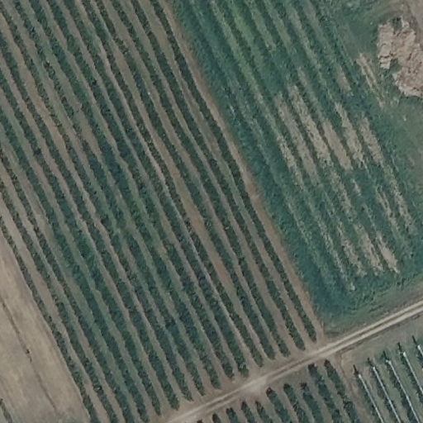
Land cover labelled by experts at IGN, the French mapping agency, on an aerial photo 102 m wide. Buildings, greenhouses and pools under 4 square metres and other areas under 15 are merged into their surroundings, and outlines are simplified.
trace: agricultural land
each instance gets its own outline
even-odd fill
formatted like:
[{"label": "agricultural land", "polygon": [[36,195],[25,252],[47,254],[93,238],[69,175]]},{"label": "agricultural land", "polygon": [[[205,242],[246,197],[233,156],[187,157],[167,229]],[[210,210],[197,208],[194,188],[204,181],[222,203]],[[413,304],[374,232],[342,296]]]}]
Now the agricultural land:
[{"label": "agricultural land", "polygon": [[339,373],[345,393],[350,402],[354,403],[355,411],[362,423],[423,423],[423,311],[387,329],[368,335],[349,347],[337,350],[327,359],[330,364],[335,368],[335,372]]},{"label": "agricultural land", "polygon": [[172,5],[178,26],[182,28],[183,38],[190,45],[193,58],[197,59],[208,93],[215,101],[215,106],[208,109],[215,119],[216,126],[220,127],[231,157],[240,169],[251,205],[294,289],[302,284],[304,291],[309,292],[314,312],[324,327],[324,334],[332,340],[423,299],[423,0],[167,0]]}]

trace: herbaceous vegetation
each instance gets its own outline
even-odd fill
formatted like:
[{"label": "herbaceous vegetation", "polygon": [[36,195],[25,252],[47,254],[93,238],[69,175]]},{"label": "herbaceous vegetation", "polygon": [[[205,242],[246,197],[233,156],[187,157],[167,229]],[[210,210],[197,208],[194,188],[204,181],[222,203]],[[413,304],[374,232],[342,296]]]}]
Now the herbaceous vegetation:
[{"label": "herbaceous vegetation", "polygon": [[220,387],[221,390],[225,390],[233,383],[238,383],[243,387],[243,383],[248,382],[248,377],[243,377],[238,372],[238,367],[233,368],[233,378],[228,377],[221,367],[220,359],[215,355],[210,360],[220,380]]},{"label": "herbaceous vegetation", "polygon": [[187,61],[193,83],[208,109],[215,106],[215,101],[208,93],[197,59],[193,58],[190,45],[183,38],[182,28],[178,26],[172,5],[167,0],[164,0],[160,3],[162,10],[169,20],[180,53]]},{"label": "herbaceous vegetation", "polygon": [[21,223],[28,231],[36,253],[40,254],[41,261],[45,264],[59,301],[63,302],[68,311],[79,344],[83,347],[89,362],[93,364],[102,390],[106,393],[119,423],[126,423],[116,395],[109,387],[101,364],[97,362],[96,355],[89,345],[88,337],[84,335],[83,327],[64,294],[63,286],[56,278],[40,241],[36,238],[25,208],[13,187],[12,178],[8,177],[7,170],[0,160],[0,177],[7,187],[13,205],[20,213]]},{"label": "herbaceous vegetation", "polygon": [[79,144],[71,119],[64,112],[58,93],[53,88],[53,81],[46,73],[45,64],[38,58],[35,43],[25,30],[23,20],[15,10],[15,3],[12,0],[7,0],[3,5],[7,8],[13,23],[17,25],[18,33],[25,43],[28,55],[33,59],[46,94],[55,107],[55,114],[69,135],[69,140],[83,167],[89,164],[88,157]]},{"label": "herbaceous vegetation", "polygon": [[8,104],[5,93],[0,88],[0,106],[8,117],[8,122],[12,124],[13,132],[17,135],[31,169],[40,180],[41,188],[48,193],[53,188],[40,164],[36,162],[30,142],[23,134],[12,106]]},{"label": "herbaceous vegetation", "polygon": [[198,213],[187,185],[173,164],[169,150],[165,149],[164,142],[160,140],[159,134],[150,122],[126,59],[122,56],[116,41],[112,38],[107,40],[117,66],[121,69],[122,78],[131,89],[145,129],[149,132],[155,149],[159,150],[160,157],[169,167],[173,185],[188,218],[192,221],[193,230],[202,241],[226,294],[233,302],[236,314],[240,316],[259,355],[263,357],[263,367],[258,367],[243,335],[236,335],[236,344],[240,345],[245,357],[248,377],[251,380],[263,375],[268,378],[273,373],[271,365],[291,359],[304,359],[307,355],[304,350],[297,349],[289,335],[286,322],[269,294],[263,274],[259,273],[250,246],[246,243],[245,235],[233,215],[230,203],[226,200],[225,192],[192,131],[188,129],[187,121],[183,119],[169,81],[160,68],[142,23],[135,15],[131,0],[124,0],[121,3],[122,8],[127,18],[132,21],[134,30],[137,31],[149,55],[150,63],[164,86],[178,124],[182,126],[183,132],[197,152],[198,159],[202,160],[203,167],[207,170],[208,177],[220,197],[221,205],[225,208],[226,216],[235,230],[259,294],[273,316],[284,344],[288,345],[289,354],[283,355],[274,340],[273,332],[269,330],[263,314],[259,311],[258,304],[254,301],[253,292],[246,283],[235,250],[226,236],[220,218],[216,215],[202,177],[183,147],[182,140],[170,124],[169,116],[160,102],[159,93],[150,79],[149,69],[145,68],[129,31],[117,15],[111,0],[107,0],[104,3],[107,15],[111,18],[117,35],[131,51],[162,127],[192,175],[193,182],[197,185],[203,203],[210,213],[216,233],[220,236],[226,253],[230,254],[241,288],[245,291],[254,314],[273,347],[274,359],[269,359],[261,345],[253,324],[241,306],[240,297],[236,296],[230,274],[205,230],[202,215]]},{"label": "herbaceous vegetation", "polygon": [[69,357],[73,359],[74,365],[83,377],[84,387],[101,423],[111,423],[83,362],[79,360],[71,344],[68,330],[59,316],[58,307],[36,269],[30,251],[21,240],[20,231],[13,223],[12,215],[5,207],[0,193],[0,215],[7,225],[8,233],[17,243],[18,253],[25,261],[46,309],[63,335]]},{"label": "herbaceous vegetation", "polygon": [[41,317],[18,268],[17,259],[0,231],[0,423],[91,423],[78,385],[74,383],[63,355],[56,345],[55,337],[51,334],[50,326]]},{"label": "herbaceous vegetation", "polygon": [[0,31],[7,40],[13,58],[17,61],[18,71],[25,83],[28,96],[31,97],[36,111],[55,140],[59,154],[66,154],[68,150],[50,117],[50,112],[45,107],[45,102],[41,101],[40,94],[36,91],[33,76],[30,69],[26,68],[20,48],[13,40],[12,31],[0,13]]},{"label": "herbaceous vegetation", "polygon": [[149,400],[144,403],[149,423],[169,423],[170,416],[177,410],[170,406],[169,400],[165,400],[160,403],[160,415],[157,415]]},{"label": "herbaceous vegetation", "polygon": [[31,112],[28,111],[17,84],[13,81],[7,61],[0,51],[0,69],[12,89],[13,96],[17,99],[18,107],[23,112],[31,132],[35,134],[46,164],[55,177],[61,172],[55,159],[51,157],[50,149]]},{"label": "herbaceous vegetation", "polygon": [[12,165],[13,172],[25,192],[26,200],[30,203],[41,233],[46,238],[53,231],[48,225],[40,200],[31,188],[30,180],[18,164],[17,155],[13,152],[10,140],[7,139],[0,122],[0,142],[3,154],[7,155],[8,162]]},{"label": "herbaceous vegetation", "polygon": [[316,365],[309,365],[301,368],[299,372],[288,375],[284,378],[284,390],[299,390],[301,383],[311,380],[311,372],[316,368]]},{"label": "herbaceous vegetation", "polygon": [[302,309],[306,311],[309,321],[316,330],[314,342],[317,349],[332,340],[324,334],[324,327],[314,312],[309,292],[304,291],[302,284],[294,289],[301,301]]},{"label": "herbaceous vegetation", "polygon": [[140,3],[140,8],[144,10],[150,28],[159,41],[160,50],[177,79],[178,89],[187,104],[190,116],[197,124],[198,131],[202,134],[221,173],[225,175],[236,207],[250,230],[254,245],[258,248],[274,286],[288,309],[297,334],[301,335],[304,347],[312,342],[307,330],[304,329],[304,324],[297,316],[294,304],[289,299],[288,291],[274,268],[273,261],[264,250],[263,241],[259,240],[258,231],[254,228],[245,203],[241,200],[230,167],[221,157],[215,135],[211,134],[197,101],[188,89],[187,81],[180,73],[164,26],[155,15],[154,5],[149,0],[144,0]]}]

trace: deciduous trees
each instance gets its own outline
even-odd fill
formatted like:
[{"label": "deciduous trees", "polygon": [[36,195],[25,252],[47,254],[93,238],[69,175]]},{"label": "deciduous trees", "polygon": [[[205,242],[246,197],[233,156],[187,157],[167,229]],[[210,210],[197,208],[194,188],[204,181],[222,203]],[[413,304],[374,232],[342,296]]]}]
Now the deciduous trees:
[{"label": "deciduous trees", "polygon": [[144,10],[140,8],[140,3],[144,0],[131,0],[135,15],[142,23],[160,68],[169,81],[183,119],[187,121],[188,129],[192,131],[225,192],[226,200],[230,203],[233,215],[245,235],[246,243],[250,246],[259,273],[263,274],[269,294],[286,322],[289,335],[297,349],[304,350],[304,347],[301,335],[297,334],[288,309],[274,286],[258,248],[254,245],[250,230],[236,207],[225,175],[221,173],[202,134],[198,131],[197,124],[190,116],[187,104],[178,89],[177,79],[160,50],[159,41],[150,28]]},{"label": "deciduous trees", "polygon": [[231,157],[220,127],[216,126],[215,119],[208,109],[193,83],[187,61],[180,53],[169,20],[162,10],[160,3],[164,0],[149,0],[154,5],[155,15],[164,26],[180,73],[187,81],[188,89],[197,101],[211,134],[215,135],[221,157],[230,167],[241,200],[245,203],[254,228],[258,231],[259,240],[263,241],[264,250],[273,261],[274,268],[288,291],[289,299],[294,304],[297,316],[304,324],[304,329],[307,330],[312,342],[314,342],[316,330],[309,321],[306,311],[302,309],[301,301],[294,289],[251,205],[240,169]]},{"label": "deciduous trees", "polygon": [[278,395],[269,395],[269,402],[264,405],[261,405],[261,402],[254,402],[256,411],[253,413],[250,408],[246,408],[238,411],[236,415],[226,415],[216,423],[362,423],[355,411],[354,403],[350,402],[345,393],[339,373],[335,372],[335,368],[330,364],[327,367],[316,368],[311,372],[311,380],[301,383],[299,390],[284,390]]},{"label": "deciduous trees", "polygon": [[23,20],[25,30],[35,43],[38,58],[45,64],[46,73],[53,81],[53,88],[58,93],[64,112],[71,119],[79,144],[88,157],[89,164],[83,167],[69,140],[69,135],[55,114],[55,107],[46,94],[33,59],[28,55],[25,43],[18,33],[17,25],[13,23],[7,8],[3,5],[7,0],[0,0],[0,13],[12,31],[13,40],[20,48],[26,68],[30,69],[33,76],[36,91],[40,94],[41,101],[45,102],[45,107],[50,112],[50,117],[68,150],[66,154],[59,154],[55,140],[36,111],[31,97],[28,96],[25,83],[18,71],[17,61],[13,58],[7,40],[0,31],[0,51],[7,61],[13,81],[17,84],[28,111],[31,112],[50,149],[51,157],[55,159],[61,172],[55,177],[46,164],[35,134],[31,132],[23,112],[18,107],[17,99],[13,96],[12,89],[0,69],[0,88],[5,93],[8,104],[12,106],[23,134],[30,142],[36,162],[40,164],[53,188],[48,193],[41,188],[40,180],[31,169],[17,135],[13,132],[12,124],[8,122],[8,117],[0,106],[0,122],[7,139],[10,140],[13,152],[17,155],[18,164],[30,180],[31,188],[40,200],[48,225],[53,231],[46,238],[41,233],[30,203],[26,200],[25,192],[13,172],[12,165],[8,162],[7,155],[3,154],[0,142],[0,160],[7,170],[8,177],[12,178],[13,187],[25,208],[36,238],[40,241],[56,278],[63,286],[64,294],[83,327],[84,335],[88,337],[89,345],[96,355],[97,362],[101,364],[109,387],[116,395],[126,423],[149,423],[144,403],[149,400],[157,415],[160,415],[160,403],[165,400],[169,400],[170,406],[177,410],[182,413],[192,410],[193,403],[190,400],[200,400],[202,395],[207,398],[210,393],[218,392],[216,388],[220,387],[220,380],[210,360],[215,355],[220,359],[221,367],[228,377],[233,378],[233,368],[238,367],[238,372],[243,377],[248,377],[245,357],[240,345],[236,344],[236,335],[243,335],[258,367],[263,367],[263,357],[259,355],[240,316],[236,314],[233,302],[226,294],[202,241],[193,230],[192,221],[188,218],[173,185],[169,167],[160,157],[159,150],[155,149],[149,132],[145,129],[131,89],[122,78],[121,69],[117,66],[107,40],[112,38],[116,41],[122,56],[126,59],[150,122],[159,134],[160,140],[164,142],[165,149],[169,150],[173,164],[187,185],[198,213],[202,215],[205,230],[230,274],[236,296],[240,297],[241,306],[253,324],[261,345],[269,359],[274,359],[273,347],[254,314],[245,291],[241,288],[230,254],[226,253],[220,236],[216,233],[210,213],[203,203],[197,185],[193,182],[192,175],[162,127],[131,51],[117,35],[111,18],[107,15],[104,3],[107,0],[12,0],[15,3],[15,10]]},{"label": "deciduous trees", "polygon": [[21,240],[30,251],[36,269],[58,307],[59,316],[68,330],[71,344],[79,360],[83,362],[111,423],[119,423],[106,393],[102,390],[93,364],[89,362],[83,347],[79,344],[68,311],[63,302],[59,301],[45,264],[41,261],[40,254],[36,253],[28,231],[21,223],[20,213],[13,205],[7,187],[0,177],[0,193],[5,207],[12,215],[13,223],[20,231]]},{"label": "deciduous trees", "polygon": [[150,63],[149,55],[137,31],[134,30],[132,21],[127,18],[122,8],[121,3],[124,0],[111,0],[117,15],[129,31],[145,68],[149,69],[150,79],[159,93],[160,102],[169,116],[170,124],[182,140],[183,147],[202,177],[216,215],[220,218],[226,236],[235,250],[246,283],[253,292],[254,301],[258,304],[259,311],[263,314],[269,330],[273,332],[274,340],[283,355],[289,354],[288,345],[284,344],[273,316],[259,294],[235,230],[226,216],[225,208],[221,205],[220,197],[208,177],[207,170],[203,167],[202,160],[198,159],[197,152],[183,132],[182,126],[178,124],[164,86]]},{"label": "deciduous trees", "polygon": [[51,334],[55,337],[56,345],[63,355],[74,383],[78,385],[91,423],[101,423],[84,387],[83,377],[74,365],[73,359],[69,357],[63,335],[46,309],[25,261],[18,253],[17,243],[8,233],[7,225],[0,215],[0,231],[17,259],[18,268],[41,317],[50,326]]}]

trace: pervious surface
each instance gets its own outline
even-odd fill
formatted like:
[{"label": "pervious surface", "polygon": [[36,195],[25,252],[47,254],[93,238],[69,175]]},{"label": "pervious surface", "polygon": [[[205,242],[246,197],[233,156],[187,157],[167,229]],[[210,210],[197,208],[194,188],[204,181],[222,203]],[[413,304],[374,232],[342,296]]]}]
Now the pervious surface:
[{"label": "pervious surface", "polygon": [[193,403],[192,410],[182,413],[177,410],[170,416],[169,423],[216,423],[226,415],[236,415],[238,411],[246,408],[250,408],[253,413],[256,411],[254,402],[261,402],[261,405],[264,405],[269,402],[269,395],[278,395],[284,390],[284,378],[288,375],[299,372],[301,368],[309,365],[316,365],[316,368],[327,367],[330,364],[327,359],[337,350],[349,347],[368,335],[387,329],[423,311],[423,299],[332,340],[317,349],[314,342],[312,342],[304,347],[304,350],[307,355],[304,359],[291,359],[271,365],[273,373],[268,378],[263,375],[251,380],[248,377],[248,382],[243,383],[243,387],[238,383],[233,383],[225,390],[221,390],[220,387],[216,388],[218,392],[210,393],[207,398],[202,395],[200,400],[190,400]]}]

